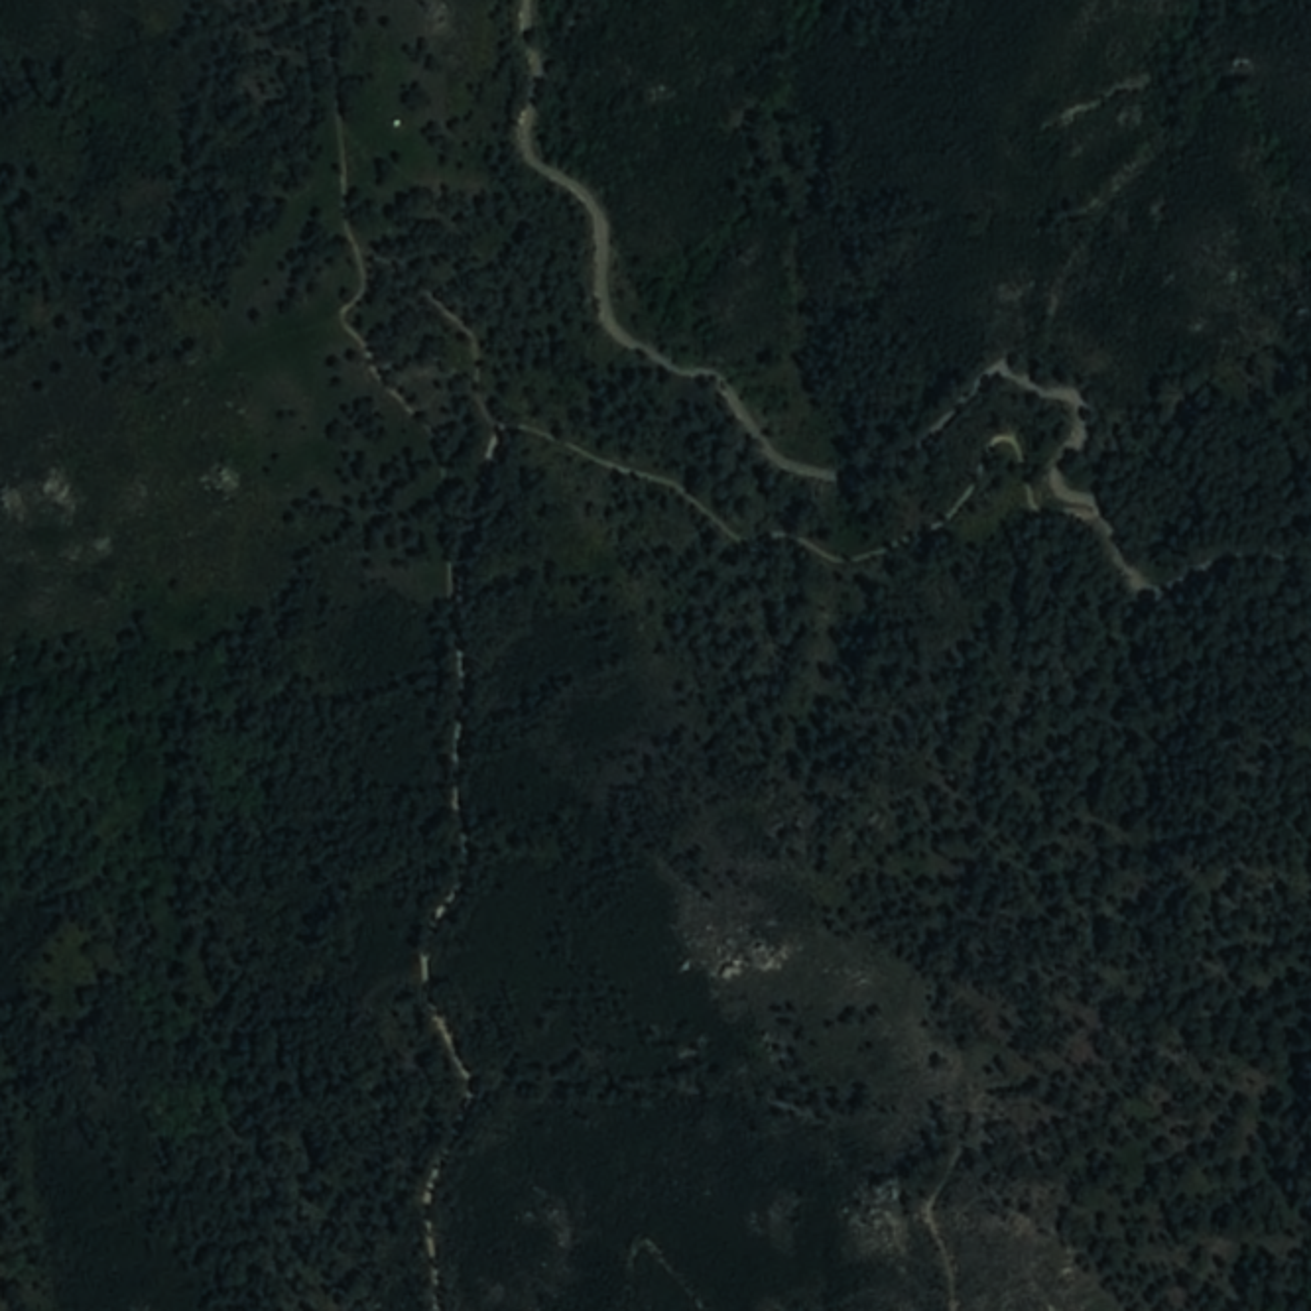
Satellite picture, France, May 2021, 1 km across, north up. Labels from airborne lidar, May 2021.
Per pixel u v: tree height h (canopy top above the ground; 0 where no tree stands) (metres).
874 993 0
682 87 7
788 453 0
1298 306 6
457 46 0
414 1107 21
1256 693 19
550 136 22
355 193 12
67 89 20
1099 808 35
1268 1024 23
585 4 18
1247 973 37
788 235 6
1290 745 20
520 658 6
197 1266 15
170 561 0
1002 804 20
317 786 23
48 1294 25
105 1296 6
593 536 0
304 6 15
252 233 22
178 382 0
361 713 16
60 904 18
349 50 20
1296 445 32
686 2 6
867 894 18
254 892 21
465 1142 13
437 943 17
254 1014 17
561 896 14
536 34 17
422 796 19
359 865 29
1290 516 34
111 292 17
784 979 0
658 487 6
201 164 18
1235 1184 32
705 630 23
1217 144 10
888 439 19
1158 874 22
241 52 17
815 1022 0
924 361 24
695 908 0
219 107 9
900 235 29
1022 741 18
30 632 7
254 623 18
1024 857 15
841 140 29
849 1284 6
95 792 15
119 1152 21
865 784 20
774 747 20
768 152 30
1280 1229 19
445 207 17
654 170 7
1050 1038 21
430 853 25
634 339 0
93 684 33
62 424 0
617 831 9
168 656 22
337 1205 19
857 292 6
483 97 9
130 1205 6
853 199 26
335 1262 25
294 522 17
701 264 16
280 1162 31
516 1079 20
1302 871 24
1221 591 28
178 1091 28
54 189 7
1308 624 25
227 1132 35
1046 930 20
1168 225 8
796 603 16
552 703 16
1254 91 24
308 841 22
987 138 7
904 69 10
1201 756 26
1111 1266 20
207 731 28
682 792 15
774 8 6
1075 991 19
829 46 6
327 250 21
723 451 29
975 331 6
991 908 22
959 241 10
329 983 8
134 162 8
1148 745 38
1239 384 0
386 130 0
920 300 7
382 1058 15
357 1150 24
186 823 19
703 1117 7
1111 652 32
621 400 29
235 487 0
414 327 17
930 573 8
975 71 8
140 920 25
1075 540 22
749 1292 7
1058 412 19
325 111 15
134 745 14
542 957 10
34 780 11
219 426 0
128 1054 25
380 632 7
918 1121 0
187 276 21
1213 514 29
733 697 18
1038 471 18
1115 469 31
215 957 22
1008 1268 0
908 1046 0
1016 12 7
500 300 20
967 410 17
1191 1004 33
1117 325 6
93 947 12
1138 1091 22
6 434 0
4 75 22
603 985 14
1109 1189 29
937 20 26
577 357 22
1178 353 10
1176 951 30
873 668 30
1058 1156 20
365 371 0
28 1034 23
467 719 17
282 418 10
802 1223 10
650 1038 18
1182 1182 33
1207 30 24
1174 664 26
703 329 9
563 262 27
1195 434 36
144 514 0
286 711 23
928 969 17
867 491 31
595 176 10
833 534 27
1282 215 6
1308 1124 35
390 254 19
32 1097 25
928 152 7
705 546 8
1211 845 27
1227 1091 30
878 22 26
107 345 19
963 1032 6
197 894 22
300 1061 17
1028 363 22
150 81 12
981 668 29
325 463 0
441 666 20
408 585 0
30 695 26
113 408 0
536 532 26
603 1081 22
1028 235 7
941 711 13
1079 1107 25
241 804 19
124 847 12
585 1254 6
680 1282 7
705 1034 6
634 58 7
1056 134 9
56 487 0
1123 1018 23
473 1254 6
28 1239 18
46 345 12
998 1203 12
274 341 0
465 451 14
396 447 0
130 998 22
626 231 6
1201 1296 24
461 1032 19
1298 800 27
